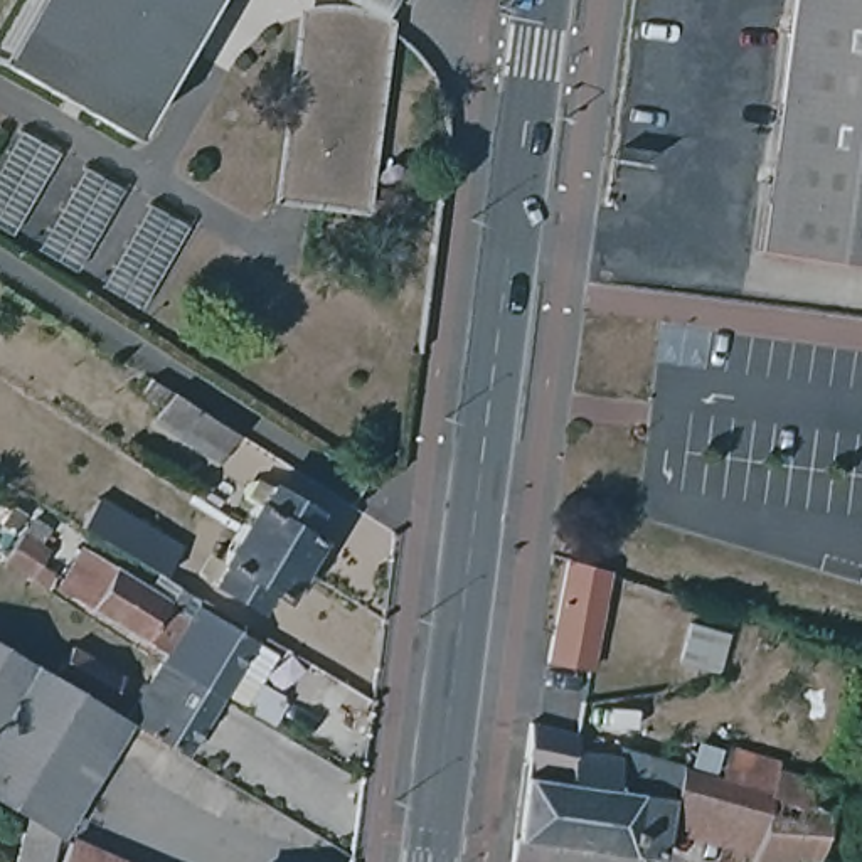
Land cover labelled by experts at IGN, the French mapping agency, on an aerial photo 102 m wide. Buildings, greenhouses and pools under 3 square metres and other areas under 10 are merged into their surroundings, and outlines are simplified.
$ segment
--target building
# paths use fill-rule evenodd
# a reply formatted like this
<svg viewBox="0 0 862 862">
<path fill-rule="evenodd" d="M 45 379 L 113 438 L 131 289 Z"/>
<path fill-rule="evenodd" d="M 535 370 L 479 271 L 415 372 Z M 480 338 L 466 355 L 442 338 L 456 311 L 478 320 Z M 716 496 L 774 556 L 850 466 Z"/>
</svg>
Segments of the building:
<svg viewBox="0 0 862 862">
<path fill-rule="evenodd" d="M 98 515 L 84 515 L 91 522 L 91 532 L 148 559 L 165 576 L 175 576 L 185 566 L 192 549 L 101 498 Z"/>
<path fill-rule="evenodd" d="M 84 828 L 104 822 L 104 798 L 114 778 L 121 774 L 128 751 L 135 748 L 141 731 L 158 734 L 168 748 L 178 748 L 182 737 L 199 744 L 216 734 L 219 721 L 229 714 L 229 700 L 249 663 L 259 657 L 263 643 L 253 640 L 246 630 L 209 613 L 202 599 L 189 589 L 178 599 L 172 599 L 158 589 L 158 579 L 138 579 L 135 572 L 101 559 L 98 552 L 81 549 L 77 559 L 64 559 L 64 576 L 54 576 L 54 593 L 71 593 L 88 616 L 111 626 L 128 647 L 108 643 L 101 636 L 64 640 L 51 613 L 0 603 L 0 801 L 24 811 L 27 818 L 17 862 L 125 862 L 111 852 L 88 845 Z"/>
<path fill-rule="evenodd" d="M 232 522 L 232 542 L 219 539 L 216 559 L 199 579 L 205 579 L 222 599 L 246 603 L 266 616 L 276 616 L 279 599 L 300 599 L 306 589 L 317 586 L 323 572 L 333 569 L 340 545 L 306 529 L 310 498 L 293 488 L 259 485 L 259 471 L 273 471 L 276 455 L 263 451 L 229 424 L 216 421 L 192 401 L 185 401 L 182 394 L 152 380 L 138 394 L 138 401 L 145 401 L 155 414 L 155 424 L 148 431 L 202 455 L 212 468 L 222 471 L 232 475 L 239 488 L 256 485 L 263 515 L 246 512 L 246 522 Z"/>
<path fill-rule="evenodd" d="M 293 74 L 283 77 L 293 108 L 303 111 L 300 125 L 286 128 L 279 148 L 276 199 L 269 202 L 269 212 L 310 212 L 327 212 L 374 216 L 377 185 L 384 182 L 384 168 L 380 148 L 401 0 L 347 0 L 313 3 L 313 10 L 290 20 Z"/>
<path fill-rule="evenodd" d="M 525 727 L 519 822 L 512 835 L 512 859 L 522 862 L 657 862 L 657 855 L 687 845 L 714 845 L 717 852 L 731 849 L 741 862 L 825 862 L 835 835 L 828 808 L 835 808 L 835 798 L 828 798 L 822 778 L 788 774 L 771 758 L 758 758 L 751 751 L 721 751 L 710 744 L 697 751 L 694 771 L 684 771 L 680 764 L 660 761 L 660 741 L 636 734 L 596 731 L 593 724 L 579 727 L 572 717 L 559 714 L 542 714 L 539 724 Z"/>
<path fill-rule="evenodd" d="M 815 256 L 825 263 L 862 266 L 862 0 L 785 0 L 774 47 L 774 118 L 768 125 L 764 155 L 758 168 L 751 249 L 771 259 Z"/>
<path fill-rule="evenodd" d="M 10 34 L 7 34 L 7 40 L 3 40 L 3 47 L 7 47 L 7 51 L 3 51 L 3 57 L 0 57 L 0 64 L 24 74 L 34 84 L 47 81 L 51 88 L 57 88 L 61 114 L 77 118 L 91 114 L 98 125 L 108 125 L 135 138 L 135 152 L 155 145 L 155 138 L 162 135 L 172 101 L 178 98 L 185 77 L 192 74 L 195 61 L 202 57 L 209 37 L 216 34 L 232 0 L 27 0 L 27 3 L 24 3 L 24 10 L 20 10 L 20 17 L 17 17 L 17 24 L 10 27 Z"/>
<path fill-rule="evenodd" d="M 596 677 L 606 663 L 606 657 L 599 657 L 599 640 L 613 572 L 596 566 L 572 562 L 562 562 L 559 572 L 545 660 Z"/>
<path fill-rule="evenodd" d="M 721 630 L 694 623 L 684 630 L 680 643 L 680 670 L 690 680 L 697 673 L 721 673 L 727 663 L 731 633 Z"/>
<path fill-rule="evenodd" d="M 0 508 L 0 545 L 3 552 L 27 552 L 40 559 L 47 525 L 37 508 Z"/>
</svg>

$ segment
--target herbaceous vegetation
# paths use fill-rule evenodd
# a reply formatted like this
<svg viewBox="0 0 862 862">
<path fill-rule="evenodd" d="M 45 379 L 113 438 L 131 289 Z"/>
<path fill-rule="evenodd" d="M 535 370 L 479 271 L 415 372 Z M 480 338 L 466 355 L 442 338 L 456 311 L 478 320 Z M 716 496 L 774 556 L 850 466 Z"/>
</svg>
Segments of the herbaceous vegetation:
<svg viewBox="0 0 862 862">
<path fill-rule="evenodd" d="M 77 118 L 88 138 L 108 145 L 114 158 L 135 152 L 135 138 L 108 125 L 98 125 L 91 114 Z"/>
<path fill-rule="evenodd" d="M 178 259 L 178 266 L 192 273 L 192 286 L 209 290 L 222 300 L 236 300 L 236 306 L 253 317 L 253 327 L 259 327 L 273 340 L 273 354 L 246 374 L 216 360 L 212 374 L 253 394 L 276 414 L 283 414 L 286 421 L 293 421 L 320 441 L 337 448 L 340 434 L 350 434 L 354 421 L 364 418 L 377 431 L 370 465 L 387 468 L 391 475 L 397 468 L 397 444 L 414 428 L 411 377 L 418 374 L 418 364 L 411 360 L 411 354 L 428 340 L 428 313 L 444 209 L 434 209 L 431 226 L 424 229 L 424 269 L 411 276 L 407 286 L 397 293 L 391 300 L 374 303 L 357 290 L 343 290 L 337 269 L 310 269 L 303 256 L 296 256 L 290 273 L 269 256 L 236 259 L 236 242 L 226 242 L 195 226 L 195 239 Z"/>
<path fill-rule="evenodd" d="M 828 764 L 822 758 L 828 754 L 838 734 L 838 714 L 828 710 L 828 704 L 842 694 L 838 667 L 832 660 L 805 660 L 788 643 L 761 643 L 758 626 L 721 630 L 731 633 L 727 663 L 721 673 L 724 680 L 731 680 L 727 690 L 707 690 L 687 700 L 670 700 L 657 707 L 653 700 L 657 694 L 663 694 L 667 684 L 690 680 L 680 670 L 680 643 L 684 630 L 694 623 L 694 613 L 687 613 L 677 603 L 677 593 L 710 596 L 734 606 L 761 606 L 771 616 L 791 620 L 798 626 L 828 630 L 835 633 L 835 647 L 862 653 L 862 579 L 835 576 L 828 569 L 801 566 L 667 522 L 643 522 L 647 492 L 640 478 L 647 471 L 650 434 L 643 434 L 643 424 L 653 421 L 657 370 L 663 360 L 657 357 L 657 330 L 643 327 L 643 320 L 626 313 L 586 310 L 586 320 L 579 323 L 579 397 L 576 418 L 569 421 L 569 438 L 562 441 L 559 455 L 559 505 L 566 502 L 566 495 L 576 495 L 576 502 L 593 502 L 599 508 L 613 505 L 620 519 L 633 529 L 623 542 L 623 556 L 609 556 L 596 566 L 613 572 L 599 640 L 599 657 L 606 657 L 606 663 L 596 677 L 596 694 L 586 697 L 586 707 L 640 710 L 643 724 L 636 734 L 660 741 L 660 761 L 680 764 L 684 771 L 694 771 L 697 751 L 710 744 L 721 751 L 751 751 L 758 758 L 771 758 L 788 774 L 822 778 Z"/>
<path fill-rule="evenodd" d="M 0 64 L 0 84 L 34 101 L 47 118 L 61 114 L 57 88 L 51 88 L 47 81 L 34 84 L 24 74 Z"/>
<path fill-rule="evenodd" d="M 7 34 L 10 34 L 10 27 L 17 24 L 17 17 L 20 17 L 20 10 L 24 10 L 24 3 L 27 3 L 27 0 L 0 0 L 0 57 L 3 57 L 3 51 L 7 51 L 7 47 L 3 47 L 3 40 L 7 40 Z"/>
<path fill-rule="evenodd" d="M 98 515 L 101 498 L 111 488 L 121 488 L 125 495 L 145 502 L 148 508 L 162 512 L 175 525 L 192 532 L 202 512 L 192 508 L 192 498 L 209 495 L 222 482 L 222 471 L 212 468 L 202 455 L 148 431 L 155 424 L 155 414 L 145 401 L 138 401 L 138 394 L 152 380 L 128 364 L 114 367 L 94 343 L 88 343 L 77 330 L 67 327 L 51 340 L 34 340 L 20 330 L 0 333 L 0 508 L 37 508 L 47 525 L 40 559 L 27 552 L 3 552 L 0 545 L 0 603 L 51 613 L 64 640 L 101 636 L 108 643 L 128 647 L 111 626 L 88 616 L 71 593 L 54 593 L 54 576 L 64 576 L 64 559 L 77 559 L 81 549 L 81 539 L 91 532 L 91 522 L 84 515 Z M 138 461 L 138 455 L 145 451 L 175 461 L 192 478 L 199 478 L 202 488 L 189 492 L 155 475 Z"/>
<path fill-rule="evenodd" d="M 293 74 L 290 20 L 269 24 L 253 40 L 253 47 L 246 47 L 236 57 L 236 64 L 219 74 L 219 84 L 175 162 L 175 175 L 189 189 L 219 202 L 222 209 L 242 219 L 266 219 L 269 212 L 269 202 L 276 199 L 279 148 L 286 128 L 269 128 L 269 121 L 249 101 L 242 101 L 242 91 L 259 81 L 259 74 L 269 64 L 279 67 L 283 77 Z"/>
<path fill-rule="evenodd" d="M 431 64 L 404 77 L 394 155 L 384 168 L 384 182 L 397 182 L 401 165 L 411 162 L 407 148 L 421 145 L 414 138 L 414 101 L 438 81 Z"/>
</svg>

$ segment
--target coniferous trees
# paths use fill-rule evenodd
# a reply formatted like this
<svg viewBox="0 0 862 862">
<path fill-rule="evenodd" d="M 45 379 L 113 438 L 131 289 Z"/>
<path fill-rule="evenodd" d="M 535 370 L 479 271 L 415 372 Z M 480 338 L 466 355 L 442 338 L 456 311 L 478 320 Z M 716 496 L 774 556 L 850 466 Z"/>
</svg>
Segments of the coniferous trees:
<svg viewBox="0 0 862 862">
<path fill-rule="evenodd" d="M 367 273 L 374 266 L 374 256 L 384 256 L 384 283 L 397 293 L 407 286 L 411 276 L 424 269 L 424 229 L 431 226 L 434 209 L 431 202 L 418 199 L 414 189 L 397 182 L 384 182 L 377 185 L 374 216 L 327 212 L 323 236 L 340 253 L 340 259 L 350 259 Z"/>
</svg>

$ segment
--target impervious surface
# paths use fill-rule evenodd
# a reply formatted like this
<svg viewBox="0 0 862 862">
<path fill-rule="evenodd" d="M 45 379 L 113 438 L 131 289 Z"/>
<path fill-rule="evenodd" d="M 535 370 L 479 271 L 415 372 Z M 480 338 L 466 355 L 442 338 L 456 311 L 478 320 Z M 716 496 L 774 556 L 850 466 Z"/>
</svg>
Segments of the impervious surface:
<svg viewBox="0 0 862 862">
<path fill-rule="evenodd" d="M 714 845 L 687 845 L 657 855 L 657 862 L 741 862 L 731 849 L 717 852 Z"/>
<path fill-rule="evenodd" d="M 290 20 L 313 10 L 313 3 L 347 0 L 232 0 L 216 34 L 209 37 L 202 57 L 195 61 L 192 74 L 185 77 L 178 98 L 172 101 L 162 135 L 155 138 L 155 145 L 135 152 L 114 158 L 108 145 L 88 138 L 77 118 L 61 114 L 47 118 L 34 101 L 0 84 L 0 226 L 37 239 L 44 253 L 51 253 L 54 259 L 98 276 L 111 293 L 158 317 L 172 306 L 175 290 L 192 286 L 192 273 L 178 266 L 178 259 L 195 239 L 195 226 L 226 242 L 236 242 L 236 259 L 269 256 L 290 273 L 296 256 L 303 256 L 310 212 L 269 212 L 266 219 L 242 219 L 222 209 L 219 202 L 189 189 L 175 175 L 175 162 L 219 84 L 219 74 L 236 64 L 236 57 L 246 47 L 253 47 L 253 40 L 269 24 Z"/>
<path fill-rule="evenodd" d="M 34 266 L 24 249 L 0 246 L 0 283 L 17 290 L 34 306 L 40 306 L 67 327 L 77 330 L 88 343 L 94 343 L 114 367 L 128 364 L 152 380 L 182 394 L 185 401 L 192 401 L 216 421 L 229 424 L 263 451 L 276 455 L 273 471 L 259 471 L 259 485 L 293 488 L 310 498 L 306 529 L 340 545 L 333 569 L 347 576 L 357 589 L 374 589 L 377 566 L 394 562 L 397 539 L 404 545 L 404 569 L 397 586 L 401 603 L 387 599 L 387 620 L 367 609 L 347 609 L 343 599 L 323 596 L 317 586 L 306 589 L 300 599 L 279 599 L 276 616 L 266 616 L 246 603 L 222 599 L 205 579 L 199 579 L 216 559 L 219 539 L 232 542 L 232 522 L 246 522 L 246 512 L 263 515 L 256 485 L 239 488 L 232 475 L 222 471 L 222 482 L 209 495 L 192 498 L 192 508 L 202 512 L 192 532 L 175 525 L 162 512 L 148 508 L 145 502 L 125 495 L 121 488 L 111 488 L 101 498 L 192 549 L 185 566 L 175 576 L 165 576 L 158 579 L 158 589 L 172 599 L 178 599 L 189 589 L 202 599 L 209 613 L 246 630 L 253 640 L 263 643 L 259 657 L 249 663 L 229 700 L 229 714 L 219 721 L 216 734 L 199 744 L 202 754 L 226 751 L 232 761 L 239 761 L 246 781 L 286 798 L 293 808 L 306 811 L 313 822 L 333 828 L 337 835 L 350 835 L 347 852 L 313 849 L 313 832 L 300 828 L 296 822 L 283 818 L 279 811 L 259 801 L 242 801 L 222 778 L 189 761 L 178 748 L 168 748 L 158 734 L 141 731 L 135 748 L 128 751 L 121 774 L 114 778 L 104 798 L 104 822 L 84 828 L 88 845 L 111 852 L 125 862 L 522 862 L 512 859 L 512 835 L 519 822 L 525 727 L 539 724 L 542 714 L 559 714 L 572 717 L 579 727 L 593 724 L 596 731 L 636 734 L 643 724 L 640 710 L 586 707 L 586 697 L 596 694 L 596 677 L 545 660 L 559 572 L 562 562 L 572 562 L 576 545 L 559 535 L 556 525 L 559 505 L 559 455 L 562 441 L 569 438 L 569 421 L 576 418 L 579 397 L 579 323 L 586 320 L 586 310 L 626 313 L 643 320 L 643 327 L 657 330 L 657 357 L 663 360 L 657 370 L 653 421 L 643 424 L 643 434 L 650 434 L 647 471 L 640 478 L 647 492 L 643 522 L 667 522 L 801 566 L 828 569 L 835 576 L 862 579 L 862 266 L 825 263 L 815 256 L 771 259 L 751 249 L 758 168 L 764 155 L 768 125 L 774 118 L 774 47 L 785 0 L 401 0 L 380 148 L 384 168 L 394 155 L 404 77 L 431 64 L 438 81 L 444 101 L 451 104 L 451 114 L 441 121 L 444 135 L 431 135 L 431 141 L 438 152 L 448 152 L 461 165 L 461 175 L 468 175 L 458 185 L 455 202 L 441 330 L 428 367 L 418 458 L 411 468 L 397 468 L 391 475 L 377 492 L 357 492 L 333 471 L 333 461 L 313 455 L 320 441 L 293 421 L 286 421 L 283 414 L 276 414 L 273 421 L 259 424 L 249 411 L 212 391 L 209 384 L 195 380 L 195 364 L 165 350 L 145 323 L 128 320 L 91 290 L 64 286 L 47 269 Z M 320 754 L 313 754 L 310 748 L 296 744 L 290 734 L 283 734 L 279 721 L 293 714 L 300 724 L 320 731 L 320 737 L 330 737 L 343 754 L 360 754 L 370 741 L 377 697 L 387 697 L 387 707 L 377 771 L 370 778 L 354 778 L 323 761 Z"/>
</svg>

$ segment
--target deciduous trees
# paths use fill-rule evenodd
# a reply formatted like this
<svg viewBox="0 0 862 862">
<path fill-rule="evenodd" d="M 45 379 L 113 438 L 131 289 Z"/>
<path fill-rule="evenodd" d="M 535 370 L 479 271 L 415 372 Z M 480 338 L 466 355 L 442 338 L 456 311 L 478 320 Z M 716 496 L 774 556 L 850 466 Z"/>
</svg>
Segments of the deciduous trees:
<svg viewBox="0 0 862 862">
<path fill-rule="evenodd" d="M 135 572 L 138 579 L 158 579 L 165 576 L 148 559 L 91 532 L 81 539 L 81 549 L 98 552 L 101 559 Z"/>
<path fill-rule="evenodd" d="M 242 91 L 242 101 L 249 101 L 269 121 L 269 128 L 286 128 L 300 125 L 303 111 L 293 108 L 283 77 L 279 67 L 269 64 L 259 74 L 259 81 Z"/>
<path fill-rule="evenodd" d="M 236 306 L 236 300 L 222 300 L 209 290 L 192 286 L 175 290 L 172 306 L 158 317 L 185 343 L 216 360 L 246 374 L 273 354 L 273 340 L 259 327 L 253 327 L 253 317 Z"/>
<path fill-rule="evenodd" d="M 791 620 L 771 616 L 761 606 L 734 606 L 710 596 L 677 593 L 677 603 L 687 613 L 694 613 L 694 623 L 721 630 L 758 626 L 761 643 L 788 643 L 805 660 L 832 660 L 838 667 L 842 694 L 828 704 L 828 710 L 838 714 L 838 734 L 828 754 L 822 758 L 828 764 L 822 778 L 828 798 L 835 798 L 835 808 L 828 808 L 835 835 L 825 862 L 862 862 L 862 653 L 835 647 L 835 633 L 828 630 L 798 626 Z"/>
<path fill-rule="evenodd" d="M 320 441 L 313 455 L 333 461 L 333 471 L 357 492 L 377 492 L 391 475 L 387 468 L 370 465 L 377 431 L 364 418 L 354 421 L 350 434 L 340 434 L 337 448 Z"/>
<path fill-rule="evenodd" d="M 155 475 L 189 492 L 202 488 L 199 478 L 192 478 L 175 461 L 145 451 L 138 455 L 138 461 Z"/>
<path fill-rule="evenodd" d="M 340 259 L 340 253 L 323 236 L 327 212 L 310 212 L 303 256 L 310 269 L 337 269 L 343 290 L 357 290 L 374 303 L 391 300 L 397 293 L 384 283 L 384 256 L 374 256 L 374 266 L 367 273 L 350 259 Z"/>
<path fill-rule="evenodd" d="M 566 495 L 566 502 L 559 505 L 556 525 L 559 535 L 576 545 L 572 562 L 596 566 L 609 556 L 623 556 L 623 542 L 633 529 L 620 519 L 613 505 L 599 508 L 593 502 L 576 502 L 576 495 Z"/>
<path fill-rule="evenodd" d="M 34 340 L 51 340 L 67 327 L 40 306 L 34 306 L 17 290 L 0 283 L 0 333 L 20 330 Z"/>
<path fill-rule="evenodd" d="M 444 101 L 438 81 L 414 101 L 414 138 L 421 145 L 407 148 L 411 162 L 401 165 L 397 182 L 414 189 L 418 199 L 431 202 L 434 209 L 444 209 L 444 199 L 455 202 L 458 185 L 468 175 L 461 175 L 461 165 L 448 152 L 438 152 L 431 141 L 431 135 L 444 135 L 441 121 L 451 114 L 451 104 Z"/>
<path fill-rule="evenodd" d="M 0 862 L 17 862 L 27 818 L 24 811 L 0 801 Z"/>
</svg>

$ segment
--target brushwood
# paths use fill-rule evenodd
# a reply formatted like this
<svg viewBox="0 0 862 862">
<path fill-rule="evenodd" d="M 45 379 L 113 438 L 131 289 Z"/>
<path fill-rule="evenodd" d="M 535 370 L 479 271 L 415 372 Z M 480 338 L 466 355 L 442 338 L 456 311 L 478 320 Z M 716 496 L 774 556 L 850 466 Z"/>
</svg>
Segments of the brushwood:
<svg viewBox="0 0 862 862">
<path fill-rule="evenodd" d="M 216 360 L 185 343 L 158 317 L 111 293 L 98 276 L 54 259 L 51 253 L 44 253 L 37 239 L 0 226 L 0 246 L 24 249 L 34 266 L 47 269 L 64 286 L 91 290 L 128 320 L 145 323 L 165 350 L 195 364 L 195 380 L 209 384 L 212 391 L 249 411 L 259 424 L 273 421 L 276 414 L 253 394 L 212 374 Z"/>
<path fill-rule="evenodd" d="M 306 811 L 293 808 L 286 798 L 246 781 L 239 761 L 232 761 L 226 751 L 202 754 L 199 744 L 182 737 L 178 748 L 189 761 L 222 778 L 242 801 L 259 801 L 279 811 L 283 818 L 296 822 L 300 828 L 313 832 L 313 849 L 347 852 L 350 835 L 337 835 L 333 828 L 313 822 Z"/>
<path fill-rule="evenodd" d="M 441 330 L 455 202 L 444 199 L 444 209 L 428 313 L 428 340 L 411 354 L 411 360 L 418 364 L 418 374 L 411 377 L 414 428 L 397 444 L 397 468 L 411 468 L 418 458 L 428 367 Z"/>
<path fill-rule="evenodd" d="M 721 673 L 697 673 L 690 680 L 667 684 L 663 694 L 657 694 L 653 700 L 657 707 L 670 700 L 687 700 L 707 690 L 727 690 L 731 680 L 724 680 Z"/>
<path fill-rule="evenodd" d="M 300 724 L 293 714 L 279 721 L 283 734 L 290 734 L 296 744 L 310 748 L 313 754 L 320 754 L 323 761 L 354 778 L 370 778 L 377 771 L 387 707 L 387 697 L 377 697 L 370 741 L 360 754 L 343 754 L 330 737 L 320 737 L 320 731 Z"/>
<path fill-rule="evenodd" d="M 367 609 L 387 620 L 387 599 L 401 603 L 397 586 L 404 569 L 404 545 L 397 539 L 394 562 L 377 566 L 374 589 L 357 589 L 347 576 L 333 569 L 323 572 L 317 586 L 323 596 L 343 599 L 347 609 Z"/>
</svg>

